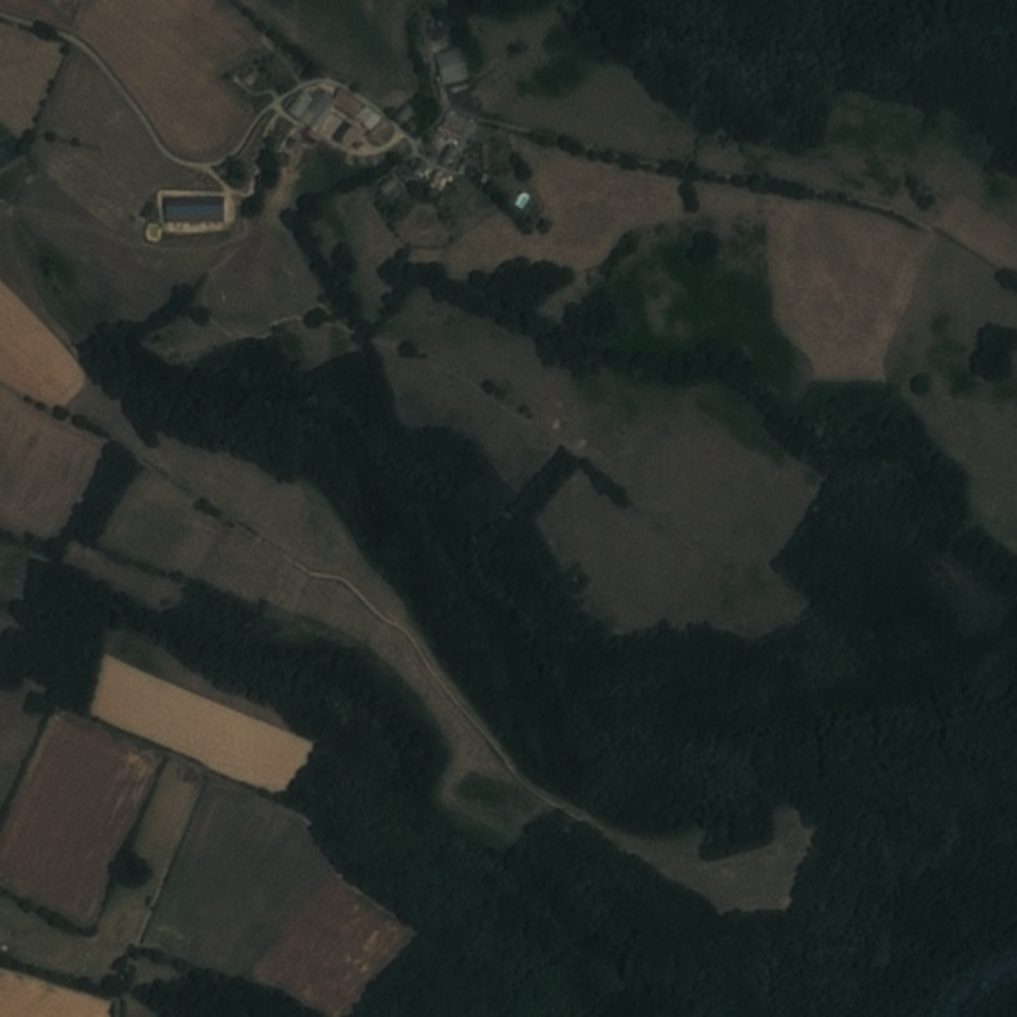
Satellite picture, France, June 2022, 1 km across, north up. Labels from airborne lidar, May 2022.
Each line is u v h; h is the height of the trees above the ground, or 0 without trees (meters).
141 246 0
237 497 0
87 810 0
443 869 15
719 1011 15
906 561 12
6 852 0
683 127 0
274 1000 17
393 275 20
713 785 18
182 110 0
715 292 0
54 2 0
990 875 17
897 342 0
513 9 6
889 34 11
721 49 24
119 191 0
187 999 17
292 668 9
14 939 0
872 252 0
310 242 18
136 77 0
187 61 0
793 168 0
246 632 11
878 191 0
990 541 13
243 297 0
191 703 0
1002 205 0
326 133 0
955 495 17
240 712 0
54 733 0
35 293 0
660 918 14
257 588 0
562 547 0
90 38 0
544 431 0
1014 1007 23
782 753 6
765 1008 17
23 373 0
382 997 19
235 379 16
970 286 0
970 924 28
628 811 7
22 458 0
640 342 0
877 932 11
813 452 13
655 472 0
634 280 0
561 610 11
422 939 13
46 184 0
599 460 0
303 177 0
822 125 10
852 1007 15
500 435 0
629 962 28
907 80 12
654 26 20
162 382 25
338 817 13
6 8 0
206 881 0
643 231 0
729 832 12
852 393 10
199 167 0
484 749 0
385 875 16
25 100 0
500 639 8
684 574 0
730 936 13
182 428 16
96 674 9
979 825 9
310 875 0
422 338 0
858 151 0
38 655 18
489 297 14
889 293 0
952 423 0
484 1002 17
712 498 0
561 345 19
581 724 10
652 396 0
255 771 0
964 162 0
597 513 0
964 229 0
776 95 15
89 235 0
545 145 10
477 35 0
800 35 14
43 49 0
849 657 13
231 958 0
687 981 16
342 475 10
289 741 0
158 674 0
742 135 17
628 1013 9
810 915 13
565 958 8
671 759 11
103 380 15
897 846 11
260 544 0
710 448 0
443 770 0
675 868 0
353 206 0
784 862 0
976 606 0
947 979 15
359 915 0
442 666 0
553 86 0
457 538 10
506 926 20
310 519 0
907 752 7
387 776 15
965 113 16
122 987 14
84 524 12
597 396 0
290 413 23
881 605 15
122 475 13
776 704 12
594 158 11
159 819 0
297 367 15
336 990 0
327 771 15
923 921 20
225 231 0
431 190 10
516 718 7
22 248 0
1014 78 16
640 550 0
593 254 0
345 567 0
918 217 0
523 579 13
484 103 0
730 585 0
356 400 14
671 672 10
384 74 0
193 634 13
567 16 10
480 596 9
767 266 0
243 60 0
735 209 0
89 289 0
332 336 0
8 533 8
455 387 0
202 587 7
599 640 9
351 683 22
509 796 0
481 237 0
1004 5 20
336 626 0
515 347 0
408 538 8
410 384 0
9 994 0
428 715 0
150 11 0
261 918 0
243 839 0
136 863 10
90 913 0
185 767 0
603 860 11
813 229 0
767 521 0
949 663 8
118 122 0
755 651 11
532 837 20
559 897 22
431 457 18
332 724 19
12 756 0
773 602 0
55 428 0
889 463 17
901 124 0
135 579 0
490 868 20
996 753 21
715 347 10
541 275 17
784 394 0
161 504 0
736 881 0
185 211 0
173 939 0
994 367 18
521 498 13
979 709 24
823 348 0
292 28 0
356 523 7
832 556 13
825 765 19
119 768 0
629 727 12
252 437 16
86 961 0
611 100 0
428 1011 17
